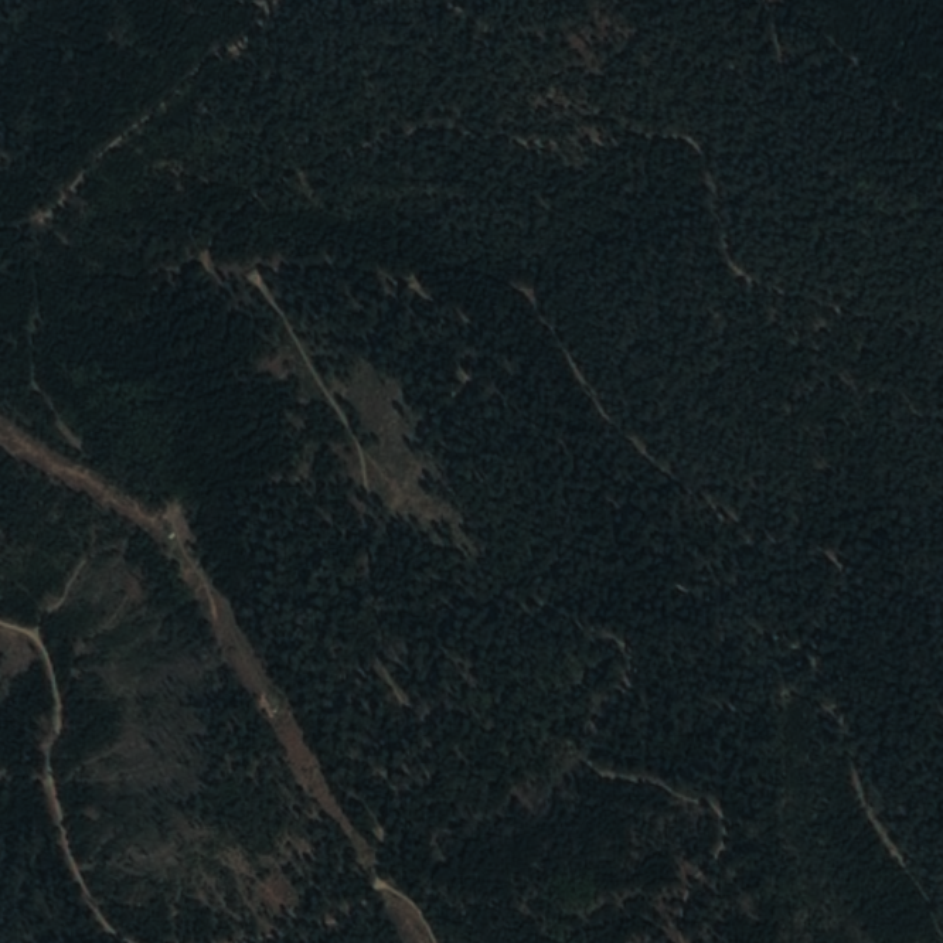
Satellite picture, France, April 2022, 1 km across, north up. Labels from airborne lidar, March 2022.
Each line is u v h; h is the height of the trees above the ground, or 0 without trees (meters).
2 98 12
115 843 7
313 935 28
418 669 30
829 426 21
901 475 20
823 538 18
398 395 0
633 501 21
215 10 10
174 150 8
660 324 28
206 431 20
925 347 25
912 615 25
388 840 6
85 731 12
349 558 17
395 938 23
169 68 11
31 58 11
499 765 17
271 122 27
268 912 10
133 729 0
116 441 14
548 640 28
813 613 19
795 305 25
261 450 19
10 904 29
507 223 26
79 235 12
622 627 37
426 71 34
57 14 9
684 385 21
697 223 21
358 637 8
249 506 15
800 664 22
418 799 22
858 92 27
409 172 36
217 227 17
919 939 9
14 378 8
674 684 31
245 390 15
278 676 18
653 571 5
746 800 32
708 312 29
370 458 0
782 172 25
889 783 25
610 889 16
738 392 23
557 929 13
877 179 28
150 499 21
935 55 19
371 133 21
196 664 0
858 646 23
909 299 21
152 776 0
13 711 14
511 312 30
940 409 17
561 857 11
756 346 29
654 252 32
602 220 30
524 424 30
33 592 9
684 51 10
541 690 23
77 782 6
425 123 34
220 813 7
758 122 30
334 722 39
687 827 11
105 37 14
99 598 0
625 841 14
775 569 32
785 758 10
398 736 38
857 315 23
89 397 16
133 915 10
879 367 23
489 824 14
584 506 28
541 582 33
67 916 7
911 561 25
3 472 8
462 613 40
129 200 13
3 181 12
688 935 21
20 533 13
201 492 13
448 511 0
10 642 0
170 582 7
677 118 28
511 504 27
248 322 17
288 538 16
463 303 22
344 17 20
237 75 9
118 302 13
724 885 34
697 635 30
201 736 0
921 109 16
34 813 11
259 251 22
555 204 32
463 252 31
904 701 28
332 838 33
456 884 14
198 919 11
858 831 7
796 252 27
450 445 14
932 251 11
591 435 25
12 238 15
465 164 32
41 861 13
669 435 29
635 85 28
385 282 19
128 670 0
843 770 6
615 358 22
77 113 15
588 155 27
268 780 32
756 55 18
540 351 24
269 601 39
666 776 12
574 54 13
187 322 20
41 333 9
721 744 38
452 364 22
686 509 18
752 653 8
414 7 27
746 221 28
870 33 15
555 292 29
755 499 8
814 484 28
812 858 7
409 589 25
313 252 29
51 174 18
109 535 6
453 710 24
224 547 16
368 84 11
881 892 8
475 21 11
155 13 12
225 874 17
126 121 10
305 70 15
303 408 16
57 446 11
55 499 12
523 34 27
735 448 20
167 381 18
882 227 26
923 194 24
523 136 15
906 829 27
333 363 13
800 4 17
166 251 41
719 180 30
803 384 26
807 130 28
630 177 22
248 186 19
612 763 35
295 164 24
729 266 13
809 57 13
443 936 20
